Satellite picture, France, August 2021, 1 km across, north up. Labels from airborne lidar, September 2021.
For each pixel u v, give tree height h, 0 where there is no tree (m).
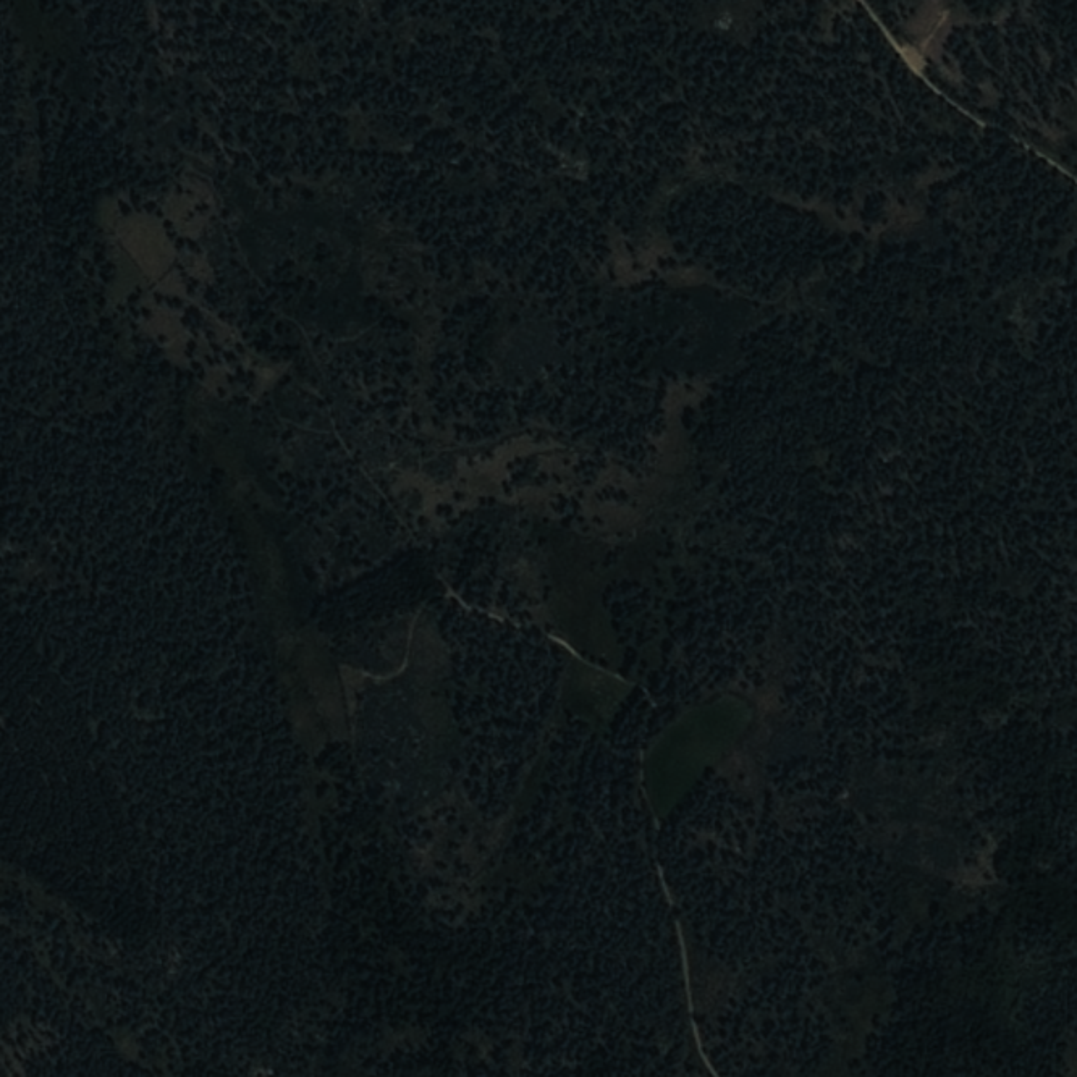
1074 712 7
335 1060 24
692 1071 14
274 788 13
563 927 15
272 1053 17
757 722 0
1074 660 8
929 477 12
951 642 11
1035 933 18
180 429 6
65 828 18
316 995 13
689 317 0
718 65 14
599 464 7
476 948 13
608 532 0
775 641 0
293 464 0
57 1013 11
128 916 19
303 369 14
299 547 0
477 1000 16
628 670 13
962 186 11
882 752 18
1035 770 12
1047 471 10
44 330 15
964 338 12
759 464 14
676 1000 13
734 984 0
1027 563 12
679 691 12
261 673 9
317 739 0
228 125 14
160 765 13
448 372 13
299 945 11
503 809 16
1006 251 13
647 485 0
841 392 12
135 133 0
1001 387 11
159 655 15
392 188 10
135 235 0
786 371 16
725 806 15
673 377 15
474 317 10
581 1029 8
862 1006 0
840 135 12
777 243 16
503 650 15
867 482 17
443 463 0
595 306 12
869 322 16
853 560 16
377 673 0
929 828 0
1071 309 8
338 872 12
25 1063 14
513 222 10
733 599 7
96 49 8
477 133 14
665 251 0
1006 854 15
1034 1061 16
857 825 11
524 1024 18
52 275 19
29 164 0
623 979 16
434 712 0
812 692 11
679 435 0
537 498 0
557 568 0
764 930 9
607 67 11
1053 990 14
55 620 14
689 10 10
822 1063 12
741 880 12
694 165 0
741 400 17
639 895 18
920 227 0
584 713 0
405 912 15
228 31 17
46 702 19
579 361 15
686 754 0
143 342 11
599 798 11
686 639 16
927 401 15
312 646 0
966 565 14
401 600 13
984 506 9
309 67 0
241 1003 13
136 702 7
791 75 16
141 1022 12
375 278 0
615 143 16
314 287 13
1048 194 13
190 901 13
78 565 13
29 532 12
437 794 0
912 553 16
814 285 0
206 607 16
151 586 19
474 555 12
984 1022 14
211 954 16
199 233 0
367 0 0
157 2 17
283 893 12
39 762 16
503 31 14
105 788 20
